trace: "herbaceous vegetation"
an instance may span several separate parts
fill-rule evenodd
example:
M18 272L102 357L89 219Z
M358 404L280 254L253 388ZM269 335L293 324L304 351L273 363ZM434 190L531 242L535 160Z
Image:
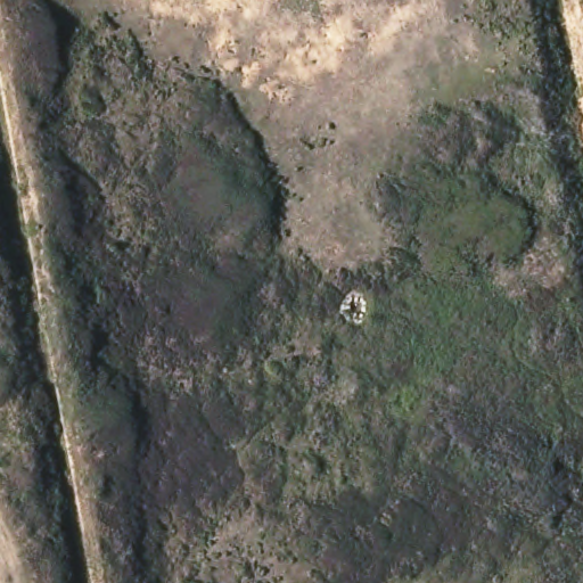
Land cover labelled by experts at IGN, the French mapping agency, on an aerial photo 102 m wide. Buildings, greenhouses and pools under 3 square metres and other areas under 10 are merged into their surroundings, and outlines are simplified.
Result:
M5 30L7 48L16 52L14 87L18 98L25 100L52 87L52 82L57 80L59 64L57 27L48 11L39 5L41 0L0 0L0 5L2 11L11 18L11 23Z
M123 537L128 535L125 515L123 506L114 506L98 494L102 476L93 469L105 458L105 451L100 444L96 444L98 433L93 428L91 412L82 408L75 399L80 376L64 355L68 335L66 323L59 319L59 307L55 301L55 280L50 273L50 257L46 248L48 221L43 219L20 221L32 269L34 310L39 317L41 348L48 362L48 378L52 383L59 408L61 446L66 453L68 481L73 487L89 583L121 583L128 576L128 569L132 567L128 558L132 556L132 549L123 544Z
M114 14L112 0L57 0L61 7L73 11L82 23L93 30L98 46L105 46L109 36L130 39L132 30L130 23L121 23L118 30L109 30L105 25L102 14Z
M576 269L576 251L565 241L556 241L556 248L565 262L565 273L556 287L537 285L526 292L526 296L508 298L499 285L494 285L494 276L501 266L519 266L524 262L524 255L535 246L537 237L551 235L556 235L560 203L549 205L544 198L544 184L558 182L560 173L549 153L551 141L547 139L547 125L540 114L540 98L533 93L535 87L540 87L542 59L535 43L535 20L528 0L476 0L469 23L478 30L474 41L478 46L476 52L481 55L481 61L467 64L465 52L460 57L451 57L451 46L458 39L437 36L440 59L426 66L428 84L424 89L412 91L408 130L396 132L396 137L392 139L385 175L376 180L376 191L383 200L383 216L378 221L385 221L385 225L392 228L396 246L380 251L376 262L364 262L358 269L342 269L342 282L337 287L328 282L323 271L317 266L317 262L303 246L296 248L292 257L282 255L280 225L285 223L287 214L287 178L278 173L276 162L269 157L264 148L262 134L251 125L235 93L221 80L203 77L203 84L198 84L191 91L191 98L200 102L198 116L191 121L191 128L178 134L171 128L159 130L155 169L143 166L137 171L139 180L132 182L130 189L141 187L146 200L132 198L130 210L134 219L130 223L130 235L125 239L130 241L130 246L125 251L137 257L141 253L141 246L150 246L150 257L146 271L141 271L139 266L130 266L121 276L121 280L132 285L137 301L148 310L146 339L137 351L137 367L143 373L148 373L148 380L159 380L169 396L171 428L166 433L159 433L155 440L166 453L166 462L159 474L157 503L164 510L162 522L169 531L164 551L169 556L166 576L171 576L171 583L583 583L583 292ZM344 321L339 305L351 292L362 292L367 298L369 317L364 319L364 323ZM337 380L358 383L353 399L348 399L344 405L335 405L339 392Z
M273 0L269 7L273 14L280 16L285 11L310 11L314 20L323 16L319 0Z

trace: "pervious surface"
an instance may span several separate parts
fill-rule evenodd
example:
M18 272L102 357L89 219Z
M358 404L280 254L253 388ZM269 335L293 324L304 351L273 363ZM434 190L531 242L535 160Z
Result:
M0 583L23 583L23 565L9 524L5 522L0 508Z
M11 157L14 191L20 207L20 221L43 219L36 194L36 159L32 150L27 150L27 141L20 130L18 98L14 87L16 52L7 48L5 30L11 23L11 18L2 11L0 5L0 162L7 155Z
M572 50L572 68L578 82L578 105L583 112L583 0L560 0L567 41Z

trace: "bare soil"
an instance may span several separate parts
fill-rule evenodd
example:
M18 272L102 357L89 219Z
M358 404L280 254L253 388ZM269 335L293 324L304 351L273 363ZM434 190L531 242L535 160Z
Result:
M337 380L339 392L335 405L344 405L348 399L353 399L358 383Z
M549 205L560 203L563 184L558 182L544 184L544 198Z
M467 64L481 61L481 55L476 52L478 46L474 41L478 30L469 23L476 0L319 0L323 16L314 20L310 11L285 11L280 16L273 14L269 7L273 0L112 0L114 14L102 14L105 25L109 30L118 30L121 23L130 23L132 30L137 32L146 55L180 55L191 68L219 68L221 80L235 93L251 125L262 134L264 148L269 157L276 162L278 173L287 178L287 214L285 223L280 225L282 255L292 257L296 248L303 246L317 262L317 266L323 271L328 282L337 287L342 282L342 269L358 269L364 262L376 262L380 251L396 246L392 228L385 225L385 221L378 221L383 216L383 200L376 191L376 180L385 175L392 139L396 137L396 132L408 130L412 91L424 89L428 84L426 66L440 59L437 36L458 39L451 46L451 57L460 57L465 52Z
M25 560L30 560L41 549L41 544L36 544L27 535L25 526L9 524L23 565L23 583L36 583L34 569Z
M39 125L39 116L27 107L25 100L18 98L20 130L27 141L27 150L32 150L30 137Z
M68 196L59 178L61 164L48 164L43 159L36 159L36 194L43 219L48 221L57 210L68 210Z
M362 292L351 292L339 305L344 321L364 323L364 319L369 317L367 298Z
M57 0L41 0L39 5L48 11L57 27L59 64L68 59L71 43L75 39L75 27L82 23L73 11L61 7Z
M551 235L537 237L535 246L524 255L524 262L519 266L501 266L494 276L494 285L499 285L508 298L526 296L526 292L537 285L556 287L565 273L565 262L556 248L556 241L551 239Z
M20 221L20 207L14 191L11 157L7 155L0 162L0 260L7 262L11 280L20 280L32 269Z

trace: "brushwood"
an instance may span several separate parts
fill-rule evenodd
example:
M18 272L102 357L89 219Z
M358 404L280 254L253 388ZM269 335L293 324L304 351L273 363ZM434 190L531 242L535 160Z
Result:
M102 476L98 494L114 506L123 506L125 515L128 535L123 537L123 544L132 549L132 556L128 558L132 567L128 569L128 576L121 583L171 583L171 576L166 576L169 556L164 551L169 531L162 522L164 510L157 503L159 474L166 462L166 453L155 440L159 433L166 433L171 428L169 396L159 380L148 380L148 373L143 373L137 367L137 351L146 339L148 310L137 301L132 285L121 280L121 276L130 266L139 266L141 271L146 271L150 257L150 246L141 246L141 253L137 257L125 251L130 246L130 241L125 239L130 235L130 223L134 219L130 210L132 198L146 200L141 187L130 189L132 182L139 180L137 171L143 166L155 169L159 130L171 128L178 134L191 128L191 121L198 116L200 102L191 98L191 91L198 84L203 84L203 77L221 80L219 68L191 68L180 55L146 55L137 32L132 30L130 39L109 36L105 46L98 46L93 30L82 23L75 27L75 39L71 43L68 59L59 64L57 80L52 82L52 87L25 100L27 107L39 116L39 125L30 137L32 150L36 159L43 159L48 164L61 164L59 178L68 196L68 210L57 210L48 221L46 248L50 257L50 273L55 280L55 301L59 307L59 319L66 323L68 335L64 355L80 376L75 399L82 408L91 412L93 428L98 433L96 444L100 444L105 451L105 458L93 469Z
M36 583L89 583L73 487L68 481L66 453L61 446L59 408L52 383L48 378L48 362L41 348L39 317L34 310L32 269L20 280L11 280L7 262L0 260L0 508L5 522L9 524L25 526L27 535L36 544L41 544L41 549L30 560L25 560L34 569Z
M560 173L558 182L563 184L560 203L556 235L551 235L551 239L556 241L565 241L576 251L576 269L583 292L583 112L578 105L578 82L572 68L572 50L567 41L560 0L528 0L535 20L535 43L542 59L540 87L535 87L533 93L540 98L540 114L547 125L547 139L551 141L549 153Z

